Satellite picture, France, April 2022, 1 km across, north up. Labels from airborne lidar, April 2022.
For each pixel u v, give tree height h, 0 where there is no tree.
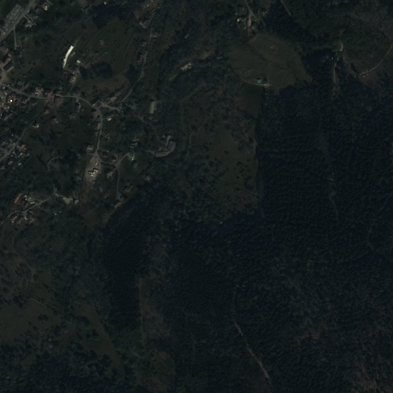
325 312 38
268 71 0
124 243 18
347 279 29
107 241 19
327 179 33
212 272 17
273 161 37
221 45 26
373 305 26
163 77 13
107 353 0
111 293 23
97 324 0
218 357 13
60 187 25
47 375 20
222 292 16
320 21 8
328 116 37
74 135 7
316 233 32
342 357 22
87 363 19
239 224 19
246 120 8
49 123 0
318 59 19
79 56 0
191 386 17
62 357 19
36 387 23
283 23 32
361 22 20
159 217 20
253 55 0
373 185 23
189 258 17
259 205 7
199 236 20
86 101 0
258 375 12
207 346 13
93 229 0
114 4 12
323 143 26
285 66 0
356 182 29
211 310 18
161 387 0
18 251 13
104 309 26
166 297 14
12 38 0
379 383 31
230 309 17
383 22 20
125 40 0
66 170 8
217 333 13
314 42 25
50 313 0
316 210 34
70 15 0
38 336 6
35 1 0
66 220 17
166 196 20
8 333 0
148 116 7
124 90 10
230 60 12
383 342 30
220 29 20
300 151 39
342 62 0
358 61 0
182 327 11
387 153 24
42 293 0
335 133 23
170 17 10
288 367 28
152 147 11
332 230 33
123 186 0
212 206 6
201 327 11
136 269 20
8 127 8
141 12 19
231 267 19
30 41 0
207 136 8
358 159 31
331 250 35
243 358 13
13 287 13
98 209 0
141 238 20
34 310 0
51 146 14
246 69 0
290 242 33
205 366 15
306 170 30
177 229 16
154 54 7
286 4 13
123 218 20
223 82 17
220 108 15
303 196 35
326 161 30
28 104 12
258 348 23
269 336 19
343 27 8
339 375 20
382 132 22
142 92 15
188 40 13
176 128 12
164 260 13
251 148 18
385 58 0
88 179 0
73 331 0
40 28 20
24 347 7
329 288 34
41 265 26
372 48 10
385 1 20
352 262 33
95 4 9
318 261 30
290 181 30
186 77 11
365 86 0
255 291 19
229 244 24
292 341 13
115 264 22
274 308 21
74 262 17
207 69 8
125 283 19
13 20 0
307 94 28
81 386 15
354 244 33
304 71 0
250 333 21
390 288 27
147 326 13
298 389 23
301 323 19
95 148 0
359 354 14
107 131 7
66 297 14
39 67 0
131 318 21
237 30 13
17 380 8
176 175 17
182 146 15
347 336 28
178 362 17
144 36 14
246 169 7
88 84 0
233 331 19
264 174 22
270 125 28
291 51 0
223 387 19
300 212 30
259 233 32
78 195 0
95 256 21
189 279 15
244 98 0
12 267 0
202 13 13
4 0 22
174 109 13
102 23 21
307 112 24
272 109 20
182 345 11
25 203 0
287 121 26
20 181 12
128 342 16
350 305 29
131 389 20
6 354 17
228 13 0
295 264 10
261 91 0
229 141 0
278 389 8
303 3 10
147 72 11
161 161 15
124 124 16
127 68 0
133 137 12
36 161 0
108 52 0
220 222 13
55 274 13
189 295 13
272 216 29
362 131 9
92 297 19
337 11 21
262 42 0
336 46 22
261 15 0
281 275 7
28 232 12
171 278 11
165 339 12
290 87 0
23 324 0
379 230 11
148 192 17
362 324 32
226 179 0
